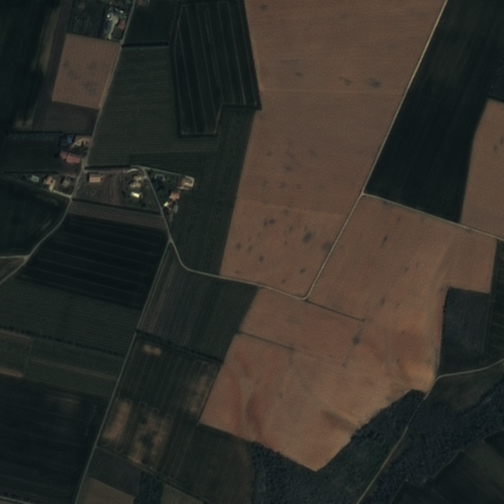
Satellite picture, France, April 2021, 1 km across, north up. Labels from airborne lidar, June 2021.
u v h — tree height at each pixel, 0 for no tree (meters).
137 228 0
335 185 0
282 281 0
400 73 0
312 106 0
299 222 0
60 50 0
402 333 0
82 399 0
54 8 0
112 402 0
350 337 0
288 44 0
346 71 0
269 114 0
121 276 0
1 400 0
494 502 0
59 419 0
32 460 0
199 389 0
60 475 0
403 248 0
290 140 0
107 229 0
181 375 0
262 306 0
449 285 0
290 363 0
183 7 0
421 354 0
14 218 0
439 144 0
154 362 0
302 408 0
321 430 0
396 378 0
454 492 0
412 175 0
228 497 0
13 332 14
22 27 0
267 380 0
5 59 0
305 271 0
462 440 11
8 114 0
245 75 0
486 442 0
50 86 0
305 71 0
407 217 0
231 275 0
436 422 21
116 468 0
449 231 0
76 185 0
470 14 0
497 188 0
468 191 0
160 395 0
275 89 0
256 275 0
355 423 0
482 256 0
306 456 0
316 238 0
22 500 9
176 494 0
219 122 0
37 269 0
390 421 13
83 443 0
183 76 0
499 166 0
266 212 0
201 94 0
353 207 0
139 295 0
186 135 0
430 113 0
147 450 0
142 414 0
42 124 0
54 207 0
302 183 0
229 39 0
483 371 0
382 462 6
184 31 0
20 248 0
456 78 0
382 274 0
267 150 0
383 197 0
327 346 0
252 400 0
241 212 0
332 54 0
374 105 0
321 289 0
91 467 0
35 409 0
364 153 0
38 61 0
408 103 0
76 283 0
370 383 0
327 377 0
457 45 0
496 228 0
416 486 8
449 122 0
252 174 0
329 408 0
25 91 0
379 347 0
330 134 0
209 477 0
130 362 0
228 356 0
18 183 0
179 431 0
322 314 0
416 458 11
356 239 0
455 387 0
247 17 0
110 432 0
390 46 0
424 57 0
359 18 0
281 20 0
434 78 0
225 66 0
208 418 0
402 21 0
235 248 0
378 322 0
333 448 0
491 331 0
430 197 0
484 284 0
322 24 0
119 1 9
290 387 0
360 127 0
